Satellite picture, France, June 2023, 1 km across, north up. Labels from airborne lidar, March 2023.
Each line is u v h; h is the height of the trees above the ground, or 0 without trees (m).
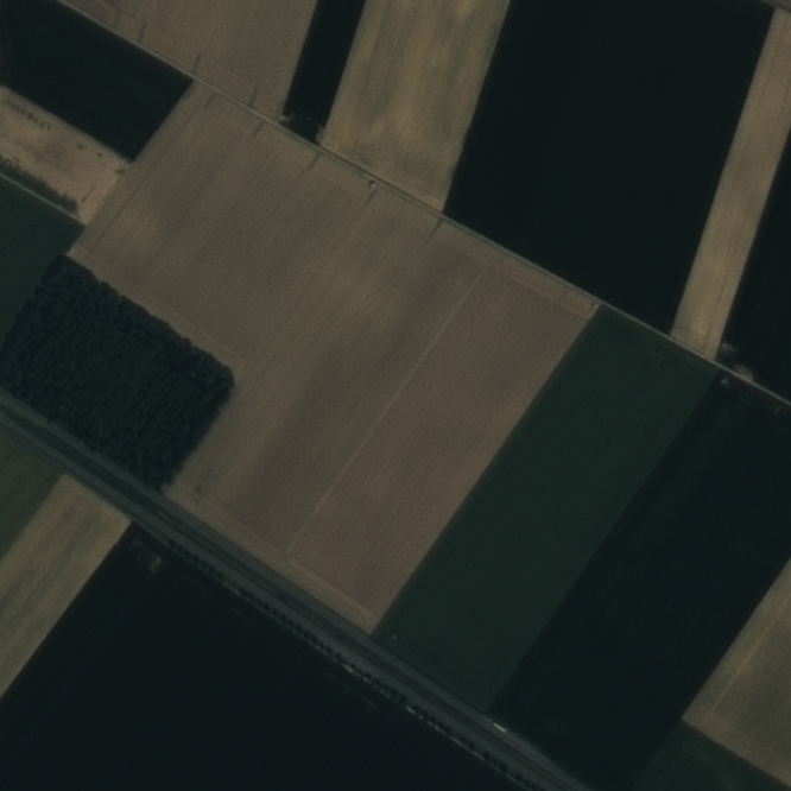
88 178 0
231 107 0
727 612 0
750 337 0
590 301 0
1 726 0
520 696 0
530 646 0
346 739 0
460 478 0
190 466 0
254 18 0
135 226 0
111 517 0
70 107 0
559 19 0
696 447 0
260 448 0
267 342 0
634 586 0
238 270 0
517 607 0
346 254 0
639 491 0
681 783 0
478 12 0
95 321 13
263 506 0
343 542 0
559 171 0
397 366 0
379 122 0
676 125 0
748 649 0
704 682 0
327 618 0
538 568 0
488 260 0
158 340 6
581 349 0
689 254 0
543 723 0
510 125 0
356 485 0
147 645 0
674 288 0
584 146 0
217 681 0
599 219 0
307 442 0
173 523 0
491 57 0
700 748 0
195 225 0
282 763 0
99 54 0
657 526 0
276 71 0
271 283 0
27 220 0
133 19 0
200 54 0
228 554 0
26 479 0
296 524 0
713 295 0
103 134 0
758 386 0
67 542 0
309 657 0
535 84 0
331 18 0
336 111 0
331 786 0
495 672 0
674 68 0
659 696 0
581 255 0
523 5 0
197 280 0
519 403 0
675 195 0
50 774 0
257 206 0
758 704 0
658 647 0
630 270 0
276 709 0
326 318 0
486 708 0
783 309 0
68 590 0
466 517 0
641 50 0
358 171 0
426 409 0
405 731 0
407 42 0
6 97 0
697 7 0
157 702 0
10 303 0
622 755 0
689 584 0
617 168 0
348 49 0
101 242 0
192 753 0
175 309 0
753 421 0
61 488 0
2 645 0
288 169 0
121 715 0
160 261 0
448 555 0
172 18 0
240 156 0
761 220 0
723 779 0
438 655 0
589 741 0
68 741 0
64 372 13
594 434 0
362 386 0
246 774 0
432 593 0
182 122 0
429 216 0
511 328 0
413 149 0
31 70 0
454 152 0
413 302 0
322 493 0
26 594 0
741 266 0
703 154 0
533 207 0
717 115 0
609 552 0
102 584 0
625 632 0
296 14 0
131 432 11
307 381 0
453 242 0
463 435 0
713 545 0
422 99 0
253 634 0
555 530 0
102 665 0
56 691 0
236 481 0
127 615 0
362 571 0
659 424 0
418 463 0
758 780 0
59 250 0
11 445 0
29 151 0
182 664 0
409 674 0
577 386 0
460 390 0
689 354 0
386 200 0
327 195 0
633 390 0
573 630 0
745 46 0
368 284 0
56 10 0
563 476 0
